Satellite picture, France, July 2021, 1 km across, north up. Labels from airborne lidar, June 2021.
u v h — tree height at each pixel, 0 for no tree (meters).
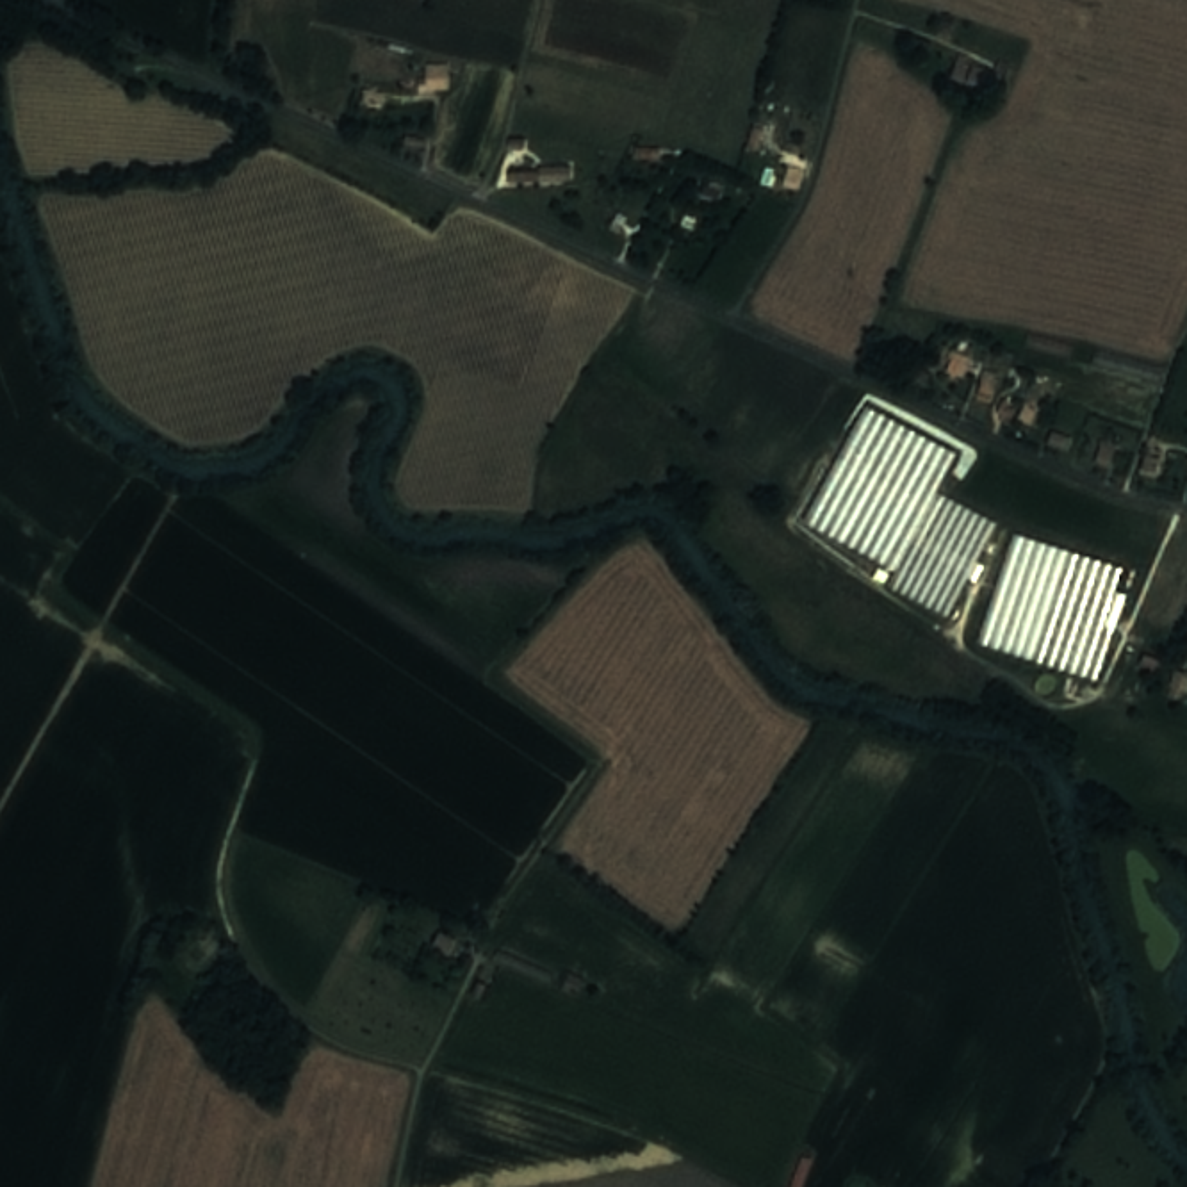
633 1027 0
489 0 0
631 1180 0
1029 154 0
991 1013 0
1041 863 0
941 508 0
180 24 0
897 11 0
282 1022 24
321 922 0
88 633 0
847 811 0
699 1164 0
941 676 0
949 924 0
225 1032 21
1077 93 0
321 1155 0
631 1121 0
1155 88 0
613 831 0
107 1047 0
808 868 0
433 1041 0
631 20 0
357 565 0
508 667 0
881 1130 0
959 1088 0
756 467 0
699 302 0
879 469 0
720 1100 0
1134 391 0
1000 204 0
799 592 0
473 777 0
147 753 0
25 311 12
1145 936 0
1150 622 0
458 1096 0
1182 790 0
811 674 9
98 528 0
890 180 0
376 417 13
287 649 0
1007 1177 0
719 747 0
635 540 0
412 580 0
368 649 0
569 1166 0
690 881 0
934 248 0
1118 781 0
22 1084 0
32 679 0
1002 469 0
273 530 0
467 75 0
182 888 0
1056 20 0
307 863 0
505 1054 0
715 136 0
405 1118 0
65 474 0
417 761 0
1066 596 0
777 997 0
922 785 0
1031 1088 0
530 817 0
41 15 14
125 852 0
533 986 0
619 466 0
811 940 0
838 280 0
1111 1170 0
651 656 0
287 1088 20
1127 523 0
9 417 0
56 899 0
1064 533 0
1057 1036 0
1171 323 0
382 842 0
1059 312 0
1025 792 0
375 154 0
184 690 0
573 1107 0
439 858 0
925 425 0
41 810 0
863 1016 0
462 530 0
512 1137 0
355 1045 0
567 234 0
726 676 0
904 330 0
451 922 12
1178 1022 0
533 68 0
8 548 0
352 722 0
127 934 0
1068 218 0
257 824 0
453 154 0
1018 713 20
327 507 0
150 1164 0
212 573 0
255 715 0
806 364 0
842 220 0
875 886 0
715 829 0
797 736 0
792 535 0
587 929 0
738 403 0
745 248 0
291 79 0
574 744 0
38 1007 0
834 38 0
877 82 0
